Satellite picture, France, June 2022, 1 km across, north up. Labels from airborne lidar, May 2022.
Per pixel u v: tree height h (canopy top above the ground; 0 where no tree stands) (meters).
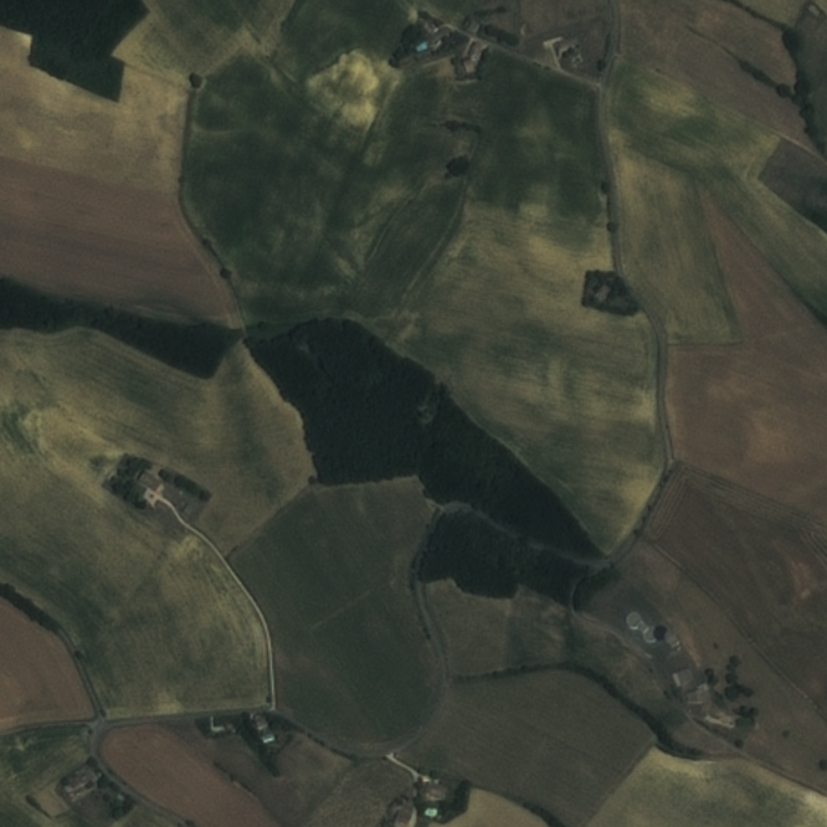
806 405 0
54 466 0
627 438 0
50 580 0
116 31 7
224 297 0
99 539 0
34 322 21
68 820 0
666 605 0
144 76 0
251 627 0
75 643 0
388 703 0
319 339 25
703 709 0
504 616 0
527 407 0
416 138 0
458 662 0
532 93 0
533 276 0
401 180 0
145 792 0
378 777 0
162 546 0
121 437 0
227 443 0
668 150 0
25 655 0
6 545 0
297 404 17
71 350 0
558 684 0
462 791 6
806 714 0
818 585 0
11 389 0
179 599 0
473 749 0
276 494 0
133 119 0
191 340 13
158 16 0
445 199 0
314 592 0
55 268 0
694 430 0
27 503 0
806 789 0
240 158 0
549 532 11
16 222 0
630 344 0
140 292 0
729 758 0
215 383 0
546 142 0
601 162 0
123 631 0
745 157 0
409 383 22
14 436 0
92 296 0
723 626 0
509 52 0
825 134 0
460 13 0
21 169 0
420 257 0
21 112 0
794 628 0
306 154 0
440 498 11
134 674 0
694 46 0
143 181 0
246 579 0
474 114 0
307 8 0
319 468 15
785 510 0
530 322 0
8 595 15
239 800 0
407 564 0
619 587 0
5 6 12
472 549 12
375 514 0
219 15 0
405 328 0
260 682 0
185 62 0
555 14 0
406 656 0
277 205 0
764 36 0
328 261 0
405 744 0
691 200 0
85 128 0
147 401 0
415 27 11
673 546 0
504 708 0
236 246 0
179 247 0
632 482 0
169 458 0
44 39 11
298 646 0
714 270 0
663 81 0
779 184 0
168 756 0
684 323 0
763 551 0
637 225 0
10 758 0
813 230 0
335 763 0
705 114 0
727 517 0
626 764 0
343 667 0
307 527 0
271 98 0
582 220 0
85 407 0
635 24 0
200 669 0
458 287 0
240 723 7
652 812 0
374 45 0
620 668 0
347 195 0
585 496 0
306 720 0
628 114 0
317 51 0
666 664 0
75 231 0
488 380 0
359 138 0
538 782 0
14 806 0
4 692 0
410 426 20
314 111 0
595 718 0
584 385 0
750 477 0
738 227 0
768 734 0
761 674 0
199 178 0
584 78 0
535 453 0
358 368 22
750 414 0
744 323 0
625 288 14
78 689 0
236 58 0
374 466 18
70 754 0
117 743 0
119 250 0
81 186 0
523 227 0
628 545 0
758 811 0
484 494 19
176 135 0
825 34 0
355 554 0
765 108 0
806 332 0
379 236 0
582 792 0
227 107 0
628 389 0
